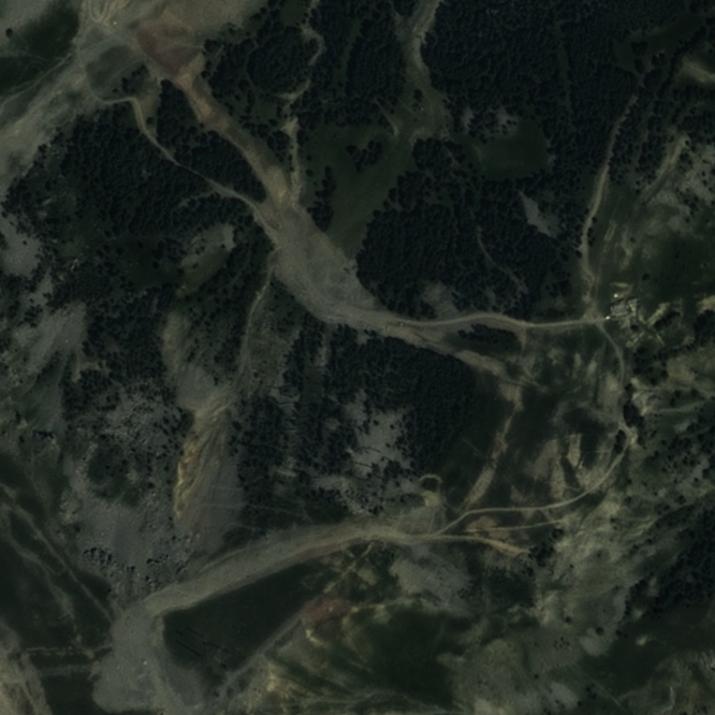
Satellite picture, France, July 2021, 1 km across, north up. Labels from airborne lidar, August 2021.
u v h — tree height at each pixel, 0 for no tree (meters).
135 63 0
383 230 18
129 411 0
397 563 0
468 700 0
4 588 0
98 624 0
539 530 0
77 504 0
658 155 7
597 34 20
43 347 0
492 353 0
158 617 0
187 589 0
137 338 12
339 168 0
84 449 0
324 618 0
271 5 12
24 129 0
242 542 0
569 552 0
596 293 0
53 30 0
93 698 0
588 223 0
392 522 0
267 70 21
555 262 16
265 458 12
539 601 0
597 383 0
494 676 0
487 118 12
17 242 0
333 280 0
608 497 0
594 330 0
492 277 20
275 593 0
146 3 0
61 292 11
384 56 22
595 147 19
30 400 0
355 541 0
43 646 0
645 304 0
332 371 15
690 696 0
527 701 0
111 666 0
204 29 0
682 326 0
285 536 0
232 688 0
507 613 0
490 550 0
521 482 0
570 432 0
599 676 0
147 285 0
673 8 19
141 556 0
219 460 0
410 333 0
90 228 0
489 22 9
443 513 0
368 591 0
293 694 0
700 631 0
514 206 9
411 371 16
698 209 6
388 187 0
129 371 8
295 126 0
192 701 0
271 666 0
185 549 0
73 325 0
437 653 0
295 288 0
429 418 16
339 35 12
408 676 0
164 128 23
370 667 0
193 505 0
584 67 21
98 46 0
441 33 15
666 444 13
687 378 0
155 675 0
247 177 19
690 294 0
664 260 0
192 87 0
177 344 0
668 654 0
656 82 22
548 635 0
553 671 0
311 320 9
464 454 0
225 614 0
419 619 0
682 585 14
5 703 0
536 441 0
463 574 0
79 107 0
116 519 0
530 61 22
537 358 0
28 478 0
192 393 0
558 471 0
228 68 23
